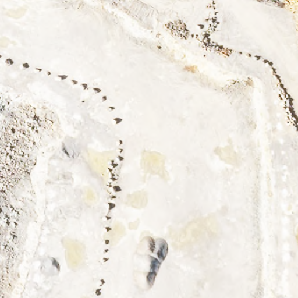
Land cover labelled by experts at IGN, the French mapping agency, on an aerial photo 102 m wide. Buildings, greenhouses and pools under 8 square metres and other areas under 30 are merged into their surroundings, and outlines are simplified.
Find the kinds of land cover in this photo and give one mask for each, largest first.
<instances>
[{"label":"pervious surface","instance_id":"1","mask_svg":"<svg viewBox=\"0 0 298 298\"><path fill-rule=\"evenodd\" d=\"M0 298H298V0H0Z\"/></svg>","mask_w":298,"mask_h":298}]
</instances>
